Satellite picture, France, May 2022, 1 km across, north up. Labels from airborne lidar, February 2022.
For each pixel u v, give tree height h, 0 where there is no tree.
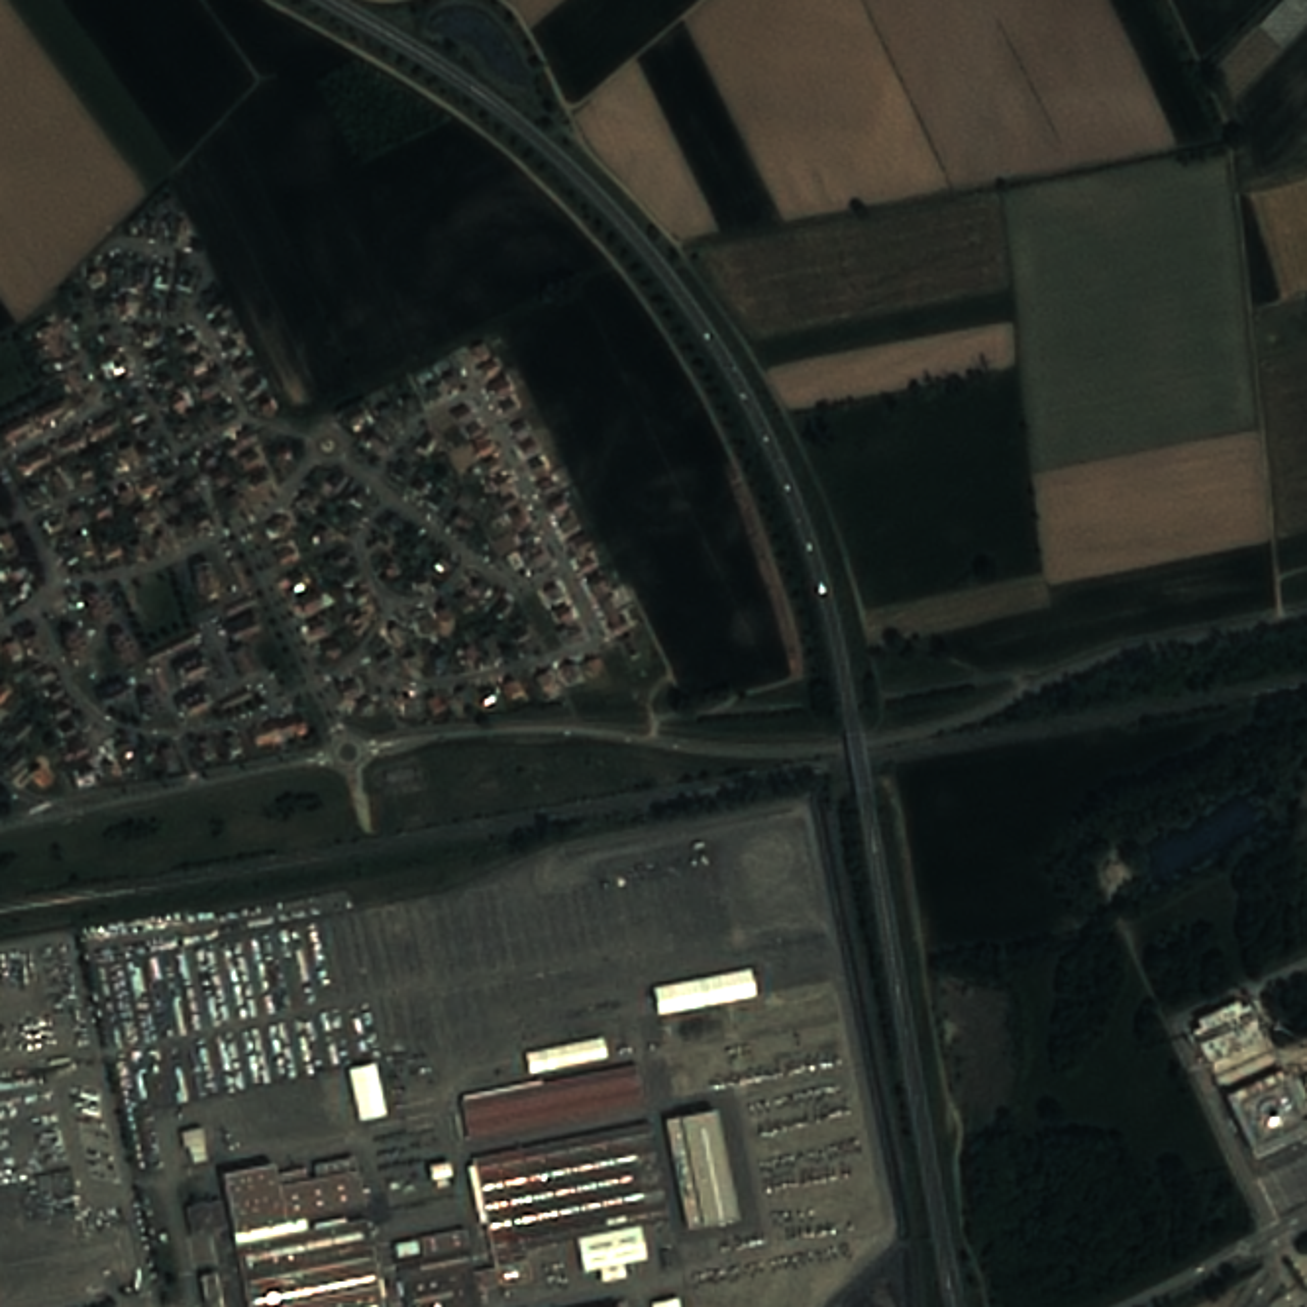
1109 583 0
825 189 0
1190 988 13
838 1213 0
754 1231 0
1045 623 0
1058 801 0
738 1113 0
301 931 0
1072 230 0
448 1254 0
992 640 0
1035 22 0
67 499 0
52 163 0
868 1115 0
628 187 0
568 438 0
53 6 0
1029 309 0
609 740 0
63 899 0
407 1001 0
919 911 0
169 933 0
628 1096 0
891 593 0
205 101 0
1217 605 0
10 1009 0
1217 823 0
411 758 0
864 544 0
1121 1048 0
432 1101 0
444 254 0
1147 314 0
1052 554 0
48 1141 0
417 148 0
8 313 0
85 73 0
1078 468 0
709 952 0
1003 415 0
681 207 0
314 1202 0
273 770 0
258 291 0
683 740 0
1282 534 0
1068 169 0
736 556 0
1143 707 0
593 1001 0
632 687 0
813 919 0
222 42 0
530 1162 0
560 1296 0
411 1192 0
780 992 0
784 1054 0
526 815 0
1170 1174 19
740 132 0
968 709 0
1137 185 0
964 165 0
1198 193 0
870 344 0
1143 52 0
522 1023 0
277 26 0
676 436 0
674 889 0
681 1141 0
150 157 0
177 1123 0
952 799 0
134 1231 0
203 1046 0
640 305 0
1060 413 0
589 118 0
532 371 0
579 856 0
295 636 0
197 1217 0
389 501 0
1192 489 0
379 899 0
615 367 0
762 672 0
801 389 0
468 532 11
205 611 0
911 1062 0
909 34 0
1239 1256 0
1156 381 0
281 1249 0
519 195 0
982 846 0
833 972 0
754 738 0
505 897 0
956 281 0
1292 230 0
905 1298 0
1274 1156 0
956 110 0
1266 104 0
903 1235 0
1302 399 0
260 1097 0
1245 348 0
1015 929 0
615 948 0
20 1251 0
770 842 0
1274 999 42
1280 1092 0
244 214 0
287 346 0
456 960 0
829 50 0
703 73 0
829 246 0
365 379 0
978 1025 0
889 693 0
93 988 7
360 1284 0
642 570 0
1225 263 0
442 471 11
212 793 0
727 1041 0
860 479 0
